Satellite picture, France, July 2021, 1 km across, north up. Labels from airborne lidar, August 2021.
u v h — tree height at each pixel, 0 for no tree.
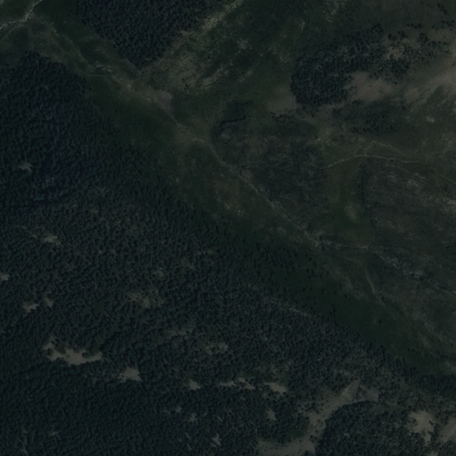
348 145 0
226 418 22
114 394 25
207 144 0
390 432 7
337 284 0
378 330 0
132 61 18
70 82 9
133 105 0
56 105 13
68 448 21
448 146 0
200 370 20
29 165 0
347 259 0
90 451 19
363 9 0
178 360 11
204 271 18
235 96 0
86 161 12
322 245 0
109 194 6
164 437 16
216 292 22
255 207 0
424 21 0
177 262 17
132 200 12
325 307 0
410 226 0
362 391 7
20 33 0
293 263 12
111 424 21
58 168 22
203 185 0
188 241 10
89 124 10
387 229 0
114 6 26
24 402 19
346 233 0
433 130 0
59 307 25
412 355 0
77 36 0
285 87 0
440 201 0
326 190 0
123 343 22
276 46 0
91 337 22
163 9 23
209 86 0
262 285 10
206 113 0
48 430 20
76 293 12
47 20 0
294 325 7
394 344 0
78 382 17
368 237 0
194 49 0
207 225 8
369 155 0
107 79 0
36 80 16
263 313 15
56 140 16
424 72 0
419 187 0
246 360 15
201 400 11
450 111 0
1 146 24
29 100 14
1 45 0
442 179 0
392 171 0
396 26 0
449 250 0
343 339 12
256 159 0
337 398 0
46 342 22
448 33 0
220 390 17
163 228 14
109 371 14
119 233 23
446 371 0
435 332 0
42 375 25
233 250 12
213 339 11
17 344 24
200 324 13
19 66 5
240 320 7
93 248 17
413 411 10
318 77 7
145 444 16
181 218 10
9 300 25
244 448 14
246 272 12
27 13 0
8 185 21
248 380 13
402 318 0
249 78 0
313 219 0
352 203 0
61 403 27
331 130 0
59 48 0
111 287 21
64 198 20
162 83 0
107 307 13
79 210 14
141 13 27
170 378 14
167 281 17
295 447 0
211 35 0
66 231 19
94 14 17
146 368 28
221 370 18
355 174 0
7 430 28
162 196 10
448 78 0
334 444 12
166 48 21
